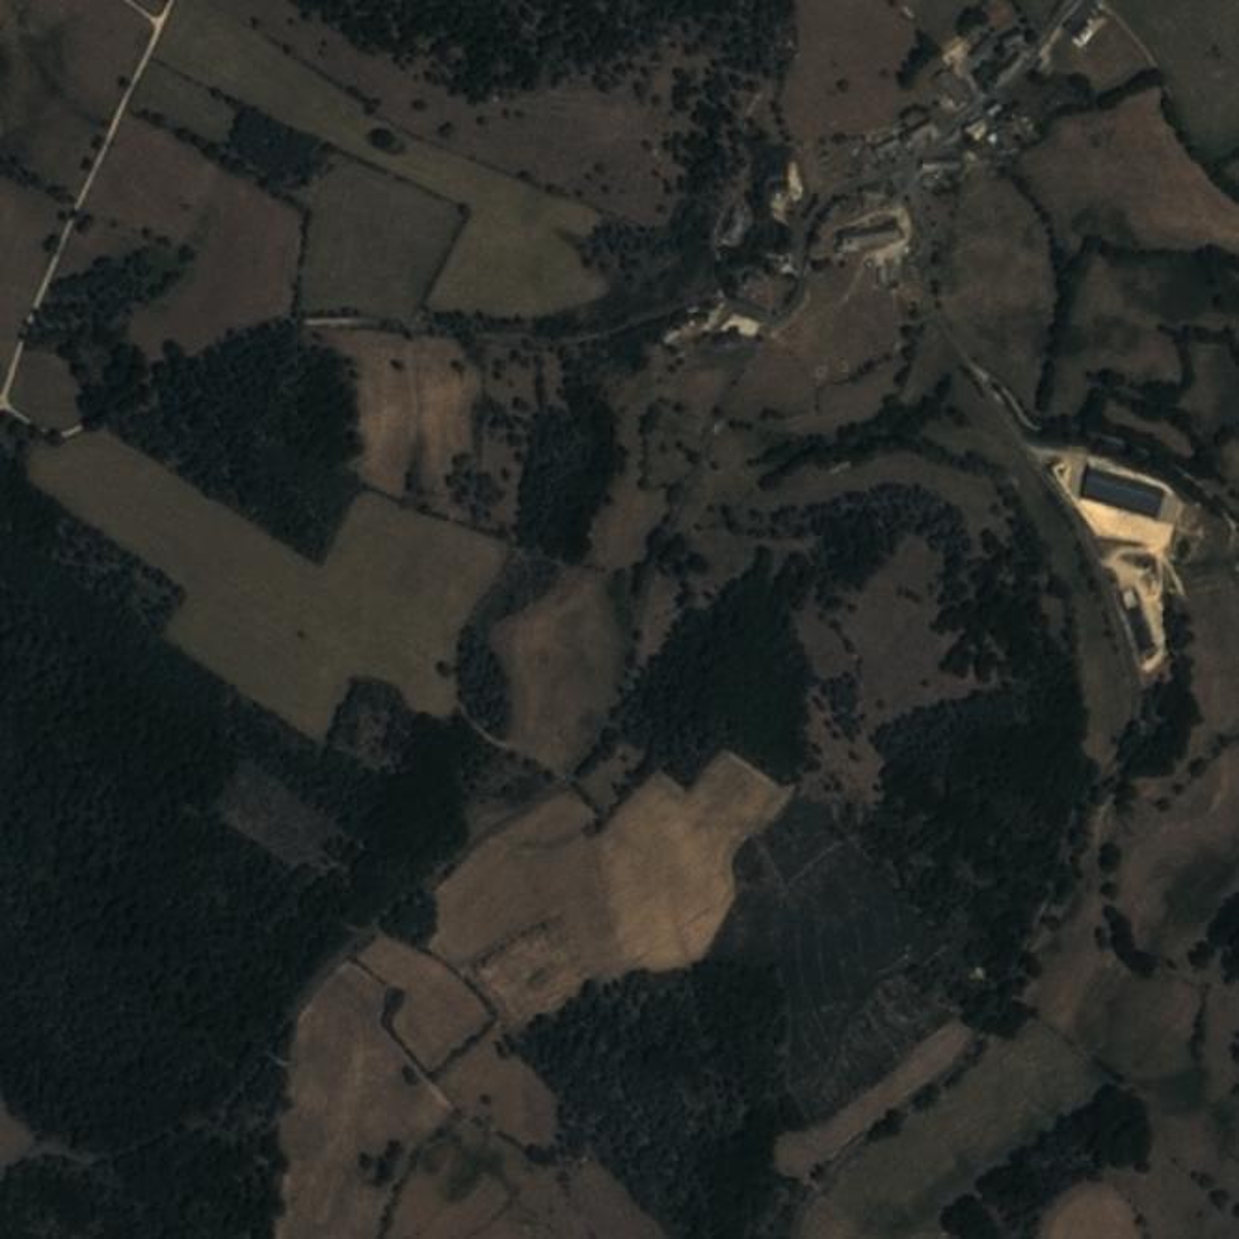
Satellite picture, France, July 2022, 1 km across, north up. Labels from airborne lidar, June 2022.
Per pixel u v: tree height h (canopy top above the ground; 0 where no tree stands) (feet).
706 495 0
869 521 50
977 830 50
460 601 0
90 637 39
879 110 0
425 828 43
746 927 0
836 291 0
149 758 47
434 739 50
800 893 0
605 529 0
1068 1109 0
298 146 39
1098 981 0
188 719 51
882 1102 0
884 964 0
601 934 0
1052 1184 21
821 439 37
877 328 0
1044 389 40
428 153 0
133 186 0
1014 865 26
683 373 0
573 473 39
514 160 0
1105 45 0
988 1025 58
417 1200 0
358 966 0
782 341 0
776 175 24
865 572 41
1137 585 0
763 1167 53
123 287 37
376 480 0
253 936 59
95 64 0
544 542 49
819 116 0
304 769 31
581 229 0
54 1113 25
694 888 0
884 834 30
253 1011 48
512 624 0
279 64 0
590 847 0
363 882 52
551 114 0
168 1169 54
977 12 40
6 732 25
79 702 49
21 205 0
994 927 48
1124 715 0
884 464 0
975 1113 0
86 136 0
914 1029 0
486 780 32
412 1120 0
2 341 0
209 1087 48
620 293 0
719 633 50
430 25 37
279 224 0
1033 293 0
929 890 31
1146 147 0
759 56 53
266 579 0
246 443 42
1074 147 0
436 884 0
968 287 0
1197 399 0
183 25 0
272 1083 44
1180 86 0
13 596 42
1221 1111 0
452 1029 0
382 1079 0
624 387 0
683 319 32
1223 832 0
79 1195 26
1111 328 0
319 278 0
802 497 0
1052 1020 0
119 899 38
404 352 0
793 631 31
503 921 0
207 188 0
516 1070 0
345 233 0
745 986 46
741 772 0
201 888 24
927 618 0
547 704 0
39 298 0
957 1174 0
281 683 0
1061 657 45
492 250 0
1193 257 23
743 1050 46
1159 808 33
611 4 34
